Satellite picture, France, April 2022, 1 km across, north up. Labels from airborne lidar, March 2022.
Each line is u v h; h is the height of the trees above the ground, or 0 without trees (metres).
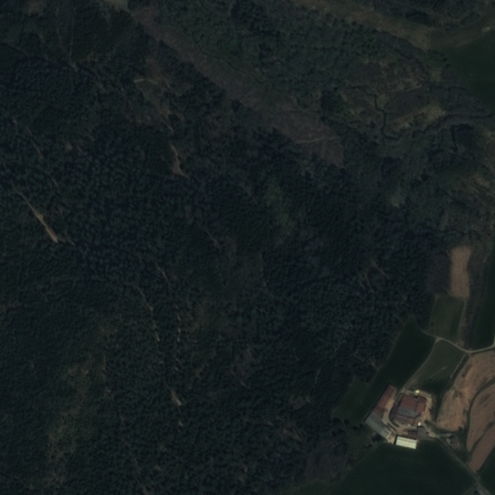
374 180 24
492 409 0
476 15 16
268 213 28
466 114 22
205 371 12
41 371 10
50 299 11
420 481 0
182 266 8
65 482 11
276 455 29
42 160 17
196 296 27
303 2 0
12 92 37
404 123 0
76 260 9
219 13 22
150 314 10
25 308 14
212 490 39
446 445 0
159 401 14
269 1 18
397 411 0
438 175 19
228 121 18
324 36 20
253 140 32
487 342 0
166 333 26
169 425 28
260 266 19
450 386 0
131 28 9
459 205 11
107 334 6
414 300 28
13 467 13
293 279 35
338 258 20
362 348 33
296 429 13
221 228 25
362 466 0
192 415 17
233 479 37
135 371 23
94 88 30
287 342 28
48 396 12
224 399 17
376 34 17
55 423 8
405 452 0
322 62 19
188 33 18
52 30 6
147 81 30
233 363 25
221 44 13
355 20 0
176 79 27
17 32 12
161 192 28
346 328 31
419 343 0
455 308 0
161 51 28
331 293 28
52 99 29
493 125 18
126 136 11
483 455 0
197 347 7
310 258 29
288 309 11
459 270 0
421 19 21
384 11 18
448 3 18
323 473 29
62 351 9
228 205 32
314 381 8
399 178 12
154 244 13
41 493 9
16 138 32
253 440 31
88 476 17
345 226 26
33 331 15
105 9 11
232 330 17
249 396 15
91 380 8
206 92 19
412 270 25
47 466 7
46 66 32
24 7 26
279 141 24
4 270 12
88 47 6
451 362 0
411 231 12
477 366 0
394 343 22
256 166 19
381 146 11
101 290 9
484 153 17
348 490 0
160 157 16
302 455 25
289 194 34
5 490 14
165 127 30
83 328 11
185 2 24
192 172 13
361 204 23
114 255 30
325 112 12
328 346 22
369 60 0
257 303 12
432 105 0
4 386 12
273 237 21
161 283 9
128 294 19
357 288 28
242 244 22
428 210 19
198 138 15
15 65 16
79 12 8
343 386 17
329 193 35
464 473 0
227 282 22
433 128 16
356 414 0
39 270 13
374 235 27
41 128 14
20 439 13
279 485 27
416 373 0
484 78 0
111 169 13
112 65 11
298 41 18
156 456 17
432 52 11
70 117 23
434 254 27
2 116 33
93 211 34
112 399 25
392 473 0
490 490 0
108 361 8
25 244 11
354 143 23
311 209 34
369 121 28
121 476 12
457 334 0
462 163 31
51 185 34
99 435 9
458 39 0
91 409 16
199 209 37
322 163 27
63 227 9
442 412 0
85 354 11
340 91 11
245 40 18
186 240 12
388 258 30
